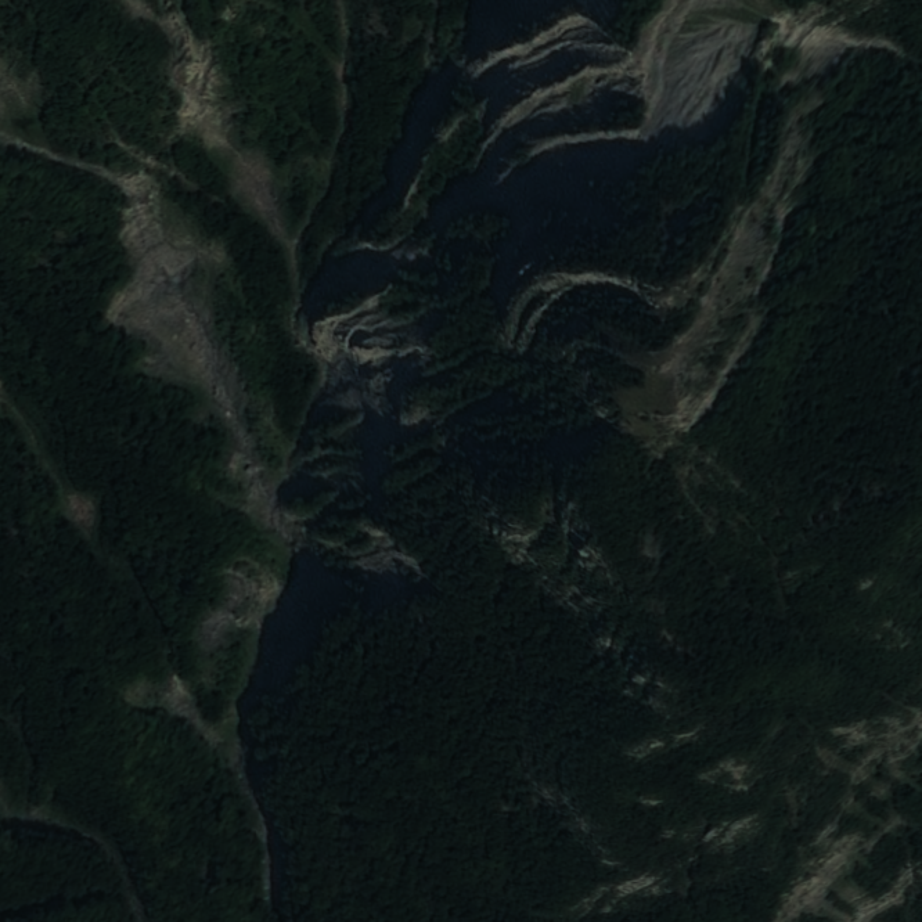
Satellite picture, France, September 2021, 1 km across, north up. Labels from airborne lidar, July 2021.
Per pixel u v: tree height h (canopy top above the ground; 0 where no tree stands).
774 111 16
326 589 7
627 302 22
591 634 16
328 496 7
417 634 27
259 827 0
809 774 13
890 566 14
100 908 31
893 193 27
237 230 20
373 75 20
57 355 27
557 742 17
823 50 0
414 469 14
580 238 18
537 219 8
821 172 26
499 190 0
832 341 24
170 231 0
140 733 33
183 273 0
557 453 24
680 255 19
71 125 24
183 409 21
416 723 29
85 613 31
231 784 17
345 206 12
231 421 0
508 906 24
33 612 31
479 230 14
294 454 0
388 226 9
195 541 25
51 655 28
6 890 33
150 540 19
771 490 17
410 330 0
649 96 0
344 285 6
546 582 8
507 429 20
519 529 14
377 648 27
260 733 29
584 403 7
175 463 31
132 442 35
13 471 29
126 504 30
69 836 16
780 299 26
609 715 24
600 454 11
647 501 23
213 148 0
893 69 30
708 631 26
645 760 11
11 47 8
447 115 11
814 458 21
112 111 20
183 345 0
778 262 11
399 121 19
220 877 35
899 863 16
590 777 15
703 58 0
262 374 17
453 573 21
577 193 0
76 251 30
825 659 13
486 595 24
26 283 27
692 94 0
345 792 30
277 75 14
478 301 17
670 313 7
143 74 15
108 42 22
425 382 12
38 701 16
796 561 15
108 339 32
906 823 10
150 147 16
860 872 9
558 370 10
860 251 19
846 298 21
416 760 33
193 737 29
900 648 8
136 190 0
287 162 24
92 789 30
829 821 25
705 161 26
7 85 0
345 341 5
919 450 26
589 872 17
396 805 21
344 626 17
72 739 25
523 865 26
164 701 9
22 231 19
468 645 28
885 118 20
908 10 13
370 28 6
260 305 12
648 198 17
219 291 9
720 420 20
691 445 8
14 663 16
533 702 14
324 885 27
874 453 30
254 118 10
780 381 21
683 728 8
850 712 19
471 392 14
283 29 23
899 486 30
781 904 11
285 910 34
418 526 22
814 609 20
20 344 35
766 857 8
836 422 24
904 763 12
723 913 24
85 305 31
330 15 21
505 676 21
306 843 30
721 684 23
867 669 18
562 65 0
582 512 12
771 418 15
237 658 10
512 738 17
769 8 0
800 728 18
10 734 24
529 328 7
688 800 20
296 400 17
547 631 27
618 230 14
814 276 26
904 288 26
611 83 0
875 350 26
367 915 25
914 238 28
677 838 15
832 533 26
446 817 32
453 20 13
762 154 21
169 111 14
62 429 11
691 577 24
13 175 15
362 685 31
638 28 24
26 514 31
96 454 17
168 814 26
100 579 38
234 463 0
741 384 25
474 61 7
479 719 29
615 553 14
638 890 15
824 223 31
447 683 30
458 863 22
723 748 11
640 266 17
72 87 18
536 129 0
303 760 32
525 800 23
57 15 19
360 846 18
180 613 32
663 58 0
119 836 32
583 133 9
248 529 18
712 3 0
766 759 15
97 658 30
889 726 6
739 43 0
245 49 19
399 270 9
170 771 33
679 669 12
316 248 13
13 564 32
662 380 0
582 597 11
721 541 11
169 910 26
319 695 32
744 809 13
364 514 14
